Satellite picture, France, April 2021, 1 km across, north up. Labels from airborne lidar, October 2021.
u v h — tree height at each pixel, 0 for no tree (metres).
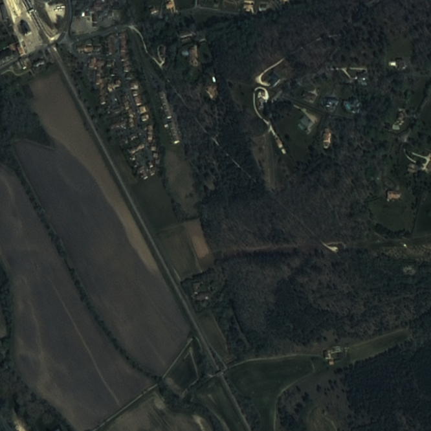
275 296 21
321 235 14
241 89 13
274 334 14
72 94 0
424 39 11
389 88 17
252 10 0
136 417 0
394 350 9
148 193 0
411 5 17
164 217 0
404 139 0
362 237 20
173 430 0
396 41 9
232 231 21
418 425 13
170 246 0
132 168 9
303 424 7
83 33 0
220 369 9
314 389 0
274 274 16
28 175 0
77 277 12
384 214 0
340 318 7
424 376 9
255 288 20
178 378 0
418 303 11
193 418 0
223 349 0
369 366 13
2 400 0
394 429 9
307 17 16
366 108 20
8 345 20
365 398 7
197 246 0
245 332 21
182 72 11
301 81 0
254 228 22
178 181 0
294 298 23
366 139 21
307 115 0
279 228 20
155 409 0
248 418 15
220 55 23
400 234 11
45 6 0
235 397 13
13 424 37
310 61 12
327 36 14
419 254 0
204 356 7
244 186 12
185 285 10
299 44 14
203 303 9
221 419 0
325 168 11
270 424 0
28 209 0
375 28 10
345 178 22
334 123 17
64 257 15
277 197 12
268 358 16
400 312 8
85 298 17
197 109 11
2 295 17
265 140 0
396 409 13
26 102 16
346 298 10
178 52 9
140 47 0
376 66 14
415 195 12
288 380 0
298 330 20
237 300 22
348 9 12
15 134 17
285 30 23
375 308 9
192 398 0
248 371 0
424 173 11
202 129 12
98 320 16
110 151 0
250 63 19
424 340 18
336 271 20
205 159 8
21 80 11
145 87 7
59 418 18
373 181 23
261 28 26
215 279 14
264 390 0
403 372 11
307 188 18
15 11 0
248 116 16
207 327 0
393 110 30
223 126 12
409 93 15
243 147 11
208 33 16
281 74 0
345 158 14
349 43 22
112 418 0
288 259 22
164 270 0
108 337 9
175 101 15
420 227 0
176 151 0
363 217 24
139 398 0
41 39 0
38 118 16
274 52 17
